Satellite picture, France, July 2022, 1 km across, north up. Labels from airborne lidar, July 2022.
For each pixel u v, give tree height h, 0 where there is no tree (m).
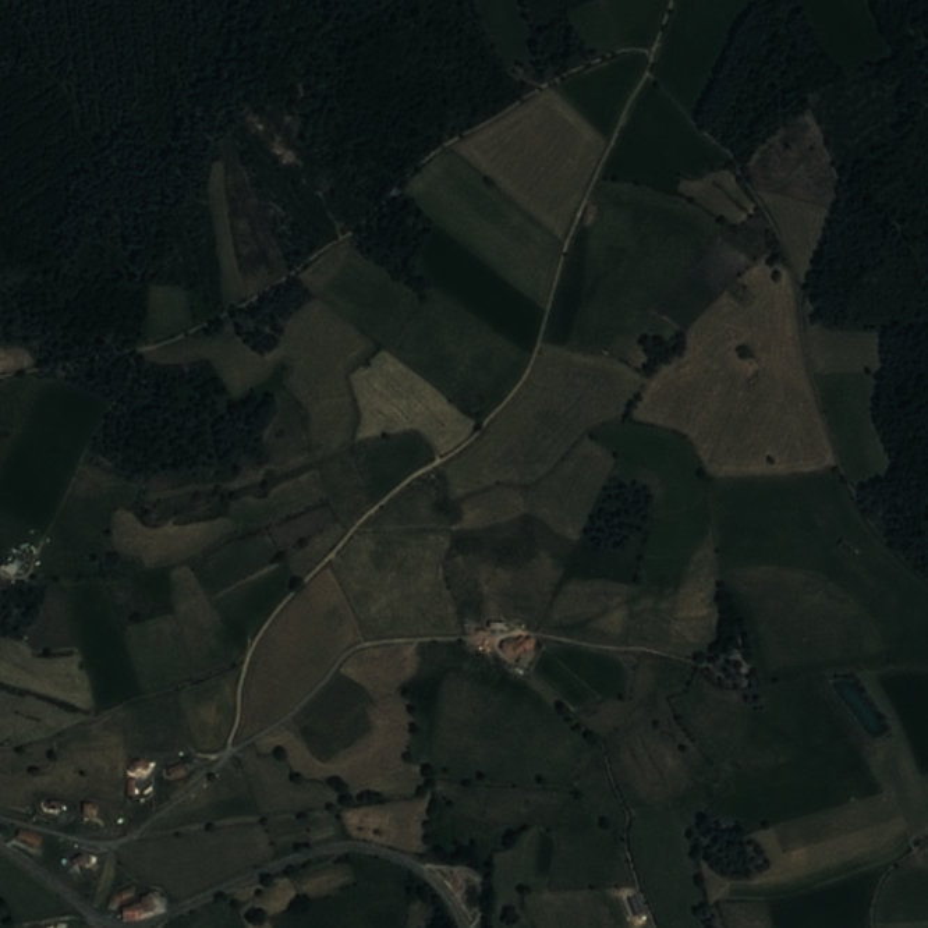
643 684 0
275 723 0
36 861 0
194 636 0
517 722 0
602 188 0
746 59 18
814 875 0
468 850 15
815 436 0
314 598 0
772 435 0
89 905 0
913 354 15
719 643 9
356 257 0
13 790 0
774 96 9
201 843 0
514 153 0
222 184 0
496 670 0
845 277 15
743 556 0
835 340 0
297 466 0
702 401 0
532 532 0
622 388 0
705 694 0
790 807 0
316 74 17
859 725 0
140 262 20
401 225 20
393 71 9
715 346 0
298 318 0
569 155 0
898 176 10
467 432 0
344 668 0
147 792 0
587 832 0
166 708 0
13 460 0
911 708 0
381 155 11
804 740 0
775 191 0
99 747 0
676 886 0
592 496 0
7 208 8
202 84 15
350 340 0
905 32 18
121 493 0
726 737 0
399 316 0
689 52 0
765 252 0
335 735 0
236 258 0
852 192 17
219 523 0
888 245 15
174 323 0
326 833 0
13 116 8
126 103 14
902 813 0
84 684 0
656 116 0
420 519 0
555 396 0
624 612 0
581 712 0
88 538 0
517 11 0
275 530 0
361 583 0
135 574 0
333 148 10
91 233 18
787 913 0
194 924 0
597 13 0
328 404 0
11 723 0
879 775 0
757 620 0
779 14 12
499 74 10
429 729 0
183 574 0
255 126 0
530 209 0
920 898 0
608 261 0
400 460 0
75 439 0
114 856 0
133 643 0
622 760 0
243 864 0
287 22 10
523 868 0
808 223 0
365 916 0
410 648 0
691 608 0
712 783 0
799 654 0
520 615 0
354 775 0
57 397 0
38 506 0
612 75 0
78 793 0
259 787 0
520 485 0
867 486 15
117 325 12
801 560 0
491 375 0
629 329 0
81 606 0
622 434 0
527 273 0
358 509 0
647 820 0
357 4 22
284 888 0
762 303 0
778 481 0
